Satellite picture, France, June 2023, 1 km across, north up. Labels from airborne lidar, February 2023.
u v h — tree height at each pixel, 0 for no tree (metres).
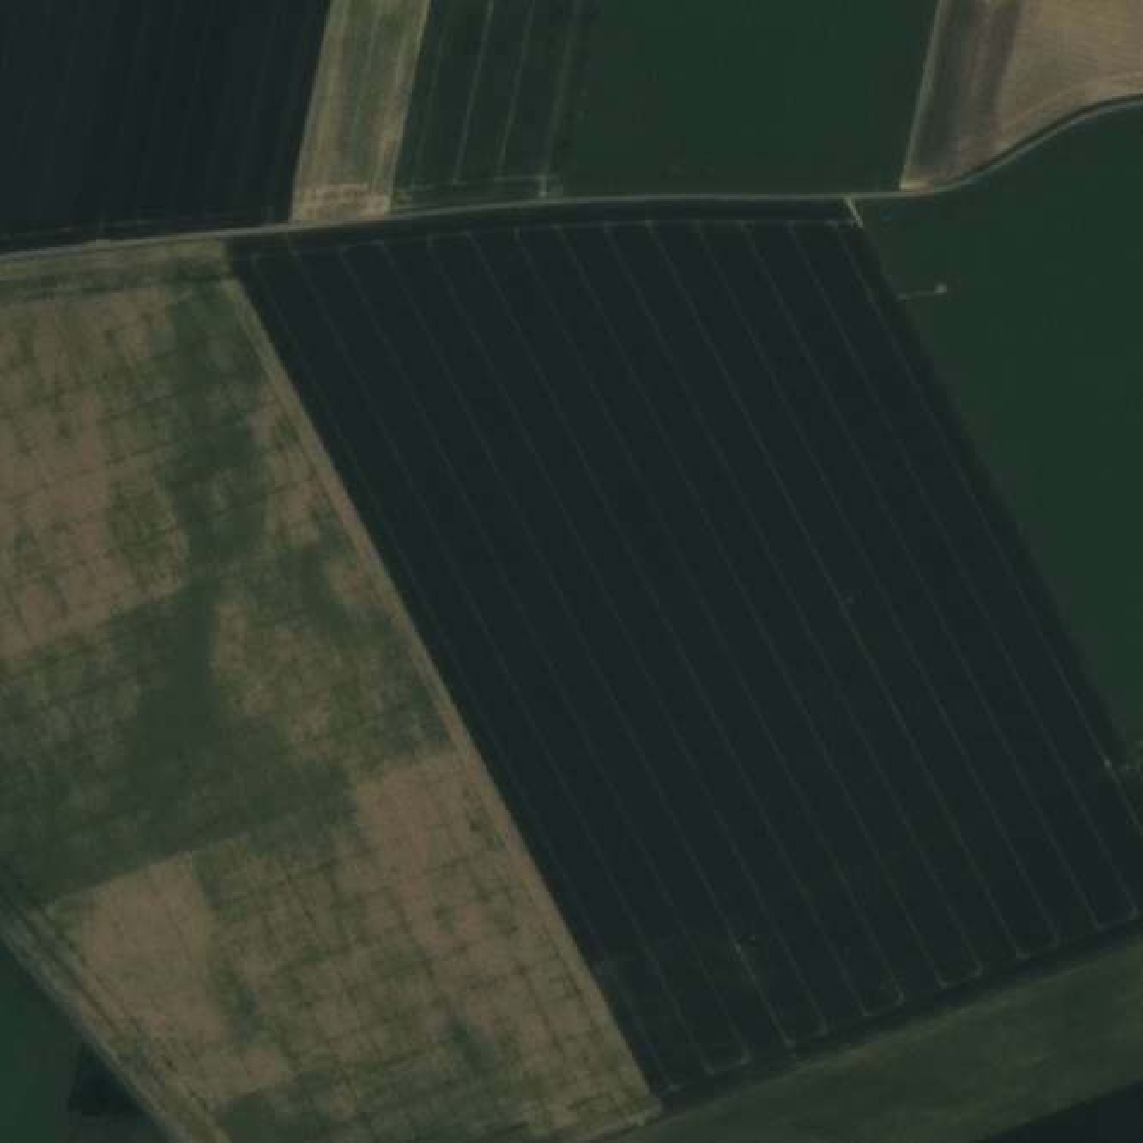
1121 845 0
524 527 0
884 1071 0
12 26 0
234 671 0
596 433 0
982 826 0
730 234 0
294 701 0
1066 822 0
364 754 0
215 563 0
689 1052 0
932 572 0
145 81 0
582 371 0
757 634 0
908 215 0
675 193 0
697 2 0
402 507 0
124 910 0
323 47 0
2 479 0
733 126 0
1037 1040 0
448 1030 0
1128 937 0
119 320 0
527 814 0
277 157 0
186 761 0
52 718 0
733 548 0
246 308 0
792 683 0
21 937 0
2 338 0
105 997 0
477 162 0
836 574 0
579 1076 0
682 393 0
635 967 0
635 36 0
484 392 0
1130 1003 0
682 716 0
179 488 0
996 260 0
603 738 0
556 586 0
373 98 0
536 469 0
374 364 0
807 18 0
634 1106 0
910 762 0
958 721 0
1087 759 0
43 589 0
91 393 0
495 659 0
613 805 0
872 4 0
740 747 0
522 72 0
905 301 0
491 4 0
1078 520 0
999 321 0
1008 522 0
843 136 0
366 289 0
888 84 0
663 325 0
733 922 0
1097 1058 0
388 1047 0
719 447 0
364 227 0
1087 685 0
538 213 0
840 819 0
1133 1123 0
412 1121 0
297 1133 0
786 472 0
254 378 0
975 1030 0
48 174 0
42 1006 0
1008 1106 0
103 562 0
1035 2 0
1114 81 0
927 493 0
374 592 0
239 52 0
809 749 0
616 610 0
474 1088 0
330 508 0
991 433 0
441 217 0
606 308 0
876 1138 0
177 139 0
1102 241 0
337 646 0
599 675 0
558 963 0
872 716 0
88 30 0
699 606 0
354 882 0
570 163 0
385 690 0
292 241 0
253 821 0
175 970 0
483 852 0
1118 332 0
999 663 0
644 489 0
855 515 0
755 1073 0
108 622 0
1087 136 0
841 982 0
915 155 0
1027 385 0
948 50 0
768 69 0
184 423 0
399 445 0
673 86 0
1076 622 0
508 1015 0
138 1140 0
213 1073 0
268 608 0
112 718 0
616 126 0
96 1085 8
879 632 0
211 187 0
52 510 0
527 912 0
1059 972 0
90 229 0
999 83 0
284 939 0
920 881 0
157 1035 0
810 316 0
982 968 0
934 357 0
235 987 0
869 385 0
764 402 0
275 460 0
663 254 0
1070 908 0
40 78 0
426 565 0
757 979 0
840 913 0
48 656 0
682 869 0
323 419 0
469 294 0
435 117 0
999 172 0
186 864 0
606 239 0
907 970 0
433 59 0
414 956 0
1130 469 0
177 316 0
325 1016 0
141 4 0
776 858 0
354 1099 0
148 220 0
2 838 0
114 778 0
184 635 0
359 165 0
